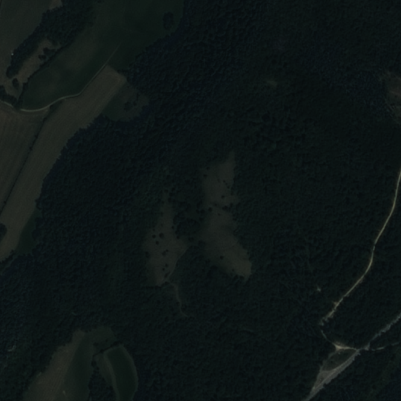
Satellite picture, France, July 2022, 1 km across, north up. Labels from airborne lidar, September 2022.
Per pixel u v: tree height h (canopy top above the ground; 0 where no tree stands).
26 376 22
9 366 14
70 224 7
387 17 18
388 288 15
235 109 20
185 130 22
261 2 25
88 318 19
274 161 18
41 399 0
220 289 21
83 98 0
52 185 23
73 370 0
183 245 0
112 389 14
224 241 0
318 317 23
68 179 28
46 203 24
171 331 16
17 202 0
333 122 10
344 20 17
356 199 19
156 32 0
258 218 17
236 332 16
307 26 18
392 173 7
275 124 16
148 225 9
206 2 33
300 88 13
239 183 8
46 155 0
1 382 14
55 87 0
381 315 16
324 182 18
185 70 27
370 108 17
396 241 19
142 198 8
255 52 16
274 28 18
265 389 19
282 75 18
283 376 17
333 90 20
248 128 22
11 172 0
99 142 34
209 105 19
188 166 19
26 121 0
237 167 6
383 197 19
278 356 18
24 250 0
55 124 0
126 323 14
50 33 16
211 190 0
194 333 17
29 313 21
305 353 20
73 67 0
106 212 29
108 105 0
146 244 0
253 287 10
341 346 0
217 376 27
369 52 13
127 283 11
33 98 0
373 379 8
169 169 6
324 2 22
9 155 0
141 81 30
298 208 16
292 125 14
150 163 18
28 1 0
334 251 25
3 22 0
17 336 11
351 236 16
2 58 0
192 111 25
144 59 17
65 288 23
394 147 14
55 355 0
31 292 20
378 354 19
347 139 16
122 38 0
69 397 0
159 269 0
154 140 19
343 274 18
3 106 0
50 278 30
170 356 23
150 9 0
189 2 19
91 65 0
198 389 15
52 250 25
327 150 18
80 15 19
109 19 0
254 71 17
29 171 0
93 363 10
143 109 0
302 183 15
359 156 18
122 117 0
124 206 26
